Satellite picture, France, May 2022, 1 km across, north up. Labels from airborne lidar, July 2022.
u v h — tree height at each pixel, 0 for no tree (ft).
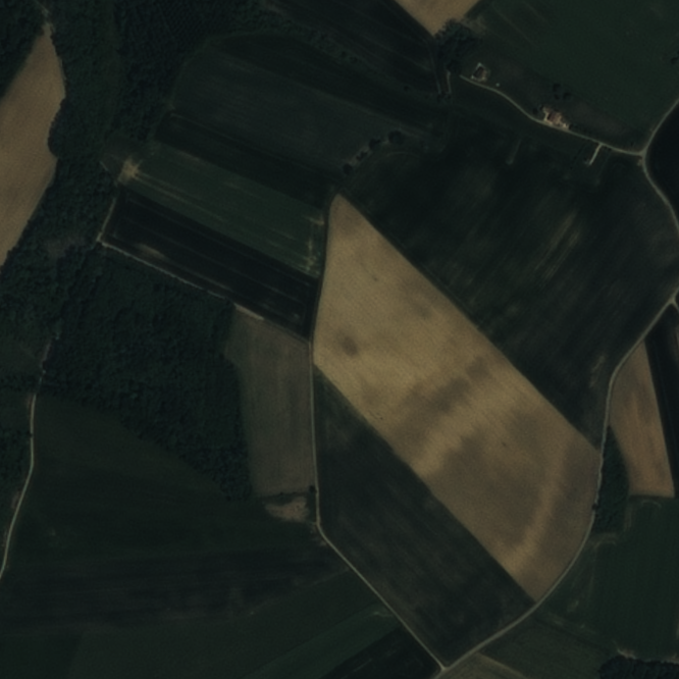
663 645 0
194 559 0
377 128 0
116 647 0
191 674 0
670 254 0
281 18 58
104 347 39
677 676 79
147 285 74
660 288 0
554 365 0
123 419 55
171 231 0
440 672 0
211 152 0
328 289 0
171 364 82
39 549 0
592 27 0
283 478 0
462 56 78
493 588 0
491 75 0
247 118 0
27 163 0
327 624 0
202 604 0
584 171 0
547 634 0
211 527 0
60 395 70
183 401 93
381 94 0
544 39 0
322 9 0
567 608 0
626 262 0
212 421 44
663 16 0
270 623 0
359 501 0
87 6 75
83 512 0
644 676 66
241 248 0
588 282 0
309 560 0
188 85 0
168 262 0
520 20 0
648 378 0
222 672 0
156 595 0
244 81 0
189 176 0
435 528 0
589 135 23
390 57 0
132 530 0
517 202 0
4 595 0
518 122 0
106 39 20
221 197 0
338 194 0
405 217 0
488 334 0
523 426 0
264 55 0
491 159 0
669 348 0
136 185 0
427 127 0
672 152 0
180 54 74
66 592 0
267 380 0
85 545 0
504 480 0
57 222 52
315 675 0
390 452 0
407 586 0
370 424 0
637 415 0
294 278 0
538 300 0
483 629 0
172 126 0
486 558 0
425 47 0
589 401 0
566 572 0
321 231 0
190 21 98
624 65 0
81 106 85
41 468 0
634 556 0
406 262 0
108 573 0
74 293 64
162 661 0
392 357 0
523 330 0
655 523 0
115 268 63
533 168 0
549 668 0
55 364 79
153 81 117
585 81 0
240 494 91
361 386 0
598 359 0
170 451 71
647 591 0
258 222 0
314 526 0
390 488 0
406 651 0
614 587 0
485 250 0
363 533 0
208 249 0
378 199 0
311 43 27
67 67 63
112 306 68
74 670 0
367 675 0
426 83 0
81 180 84
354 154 0
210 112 0
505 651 0
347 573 0
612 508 46
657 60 0
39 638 0
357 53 0
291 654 0
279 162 0
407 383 0
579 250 0
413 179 0
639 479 0
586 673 0
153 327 72
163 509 0
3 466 59
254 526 0
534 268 0
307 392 0
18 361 0
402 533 0
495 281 0
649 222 0
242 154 0
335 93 0
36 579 0
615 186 0
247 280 0
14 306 86
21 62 71
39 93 0
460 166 0
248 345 0
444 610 0
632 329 0
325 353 0
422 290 0
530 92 0
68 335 78
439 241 0
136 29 116
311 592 0
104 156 0
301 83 0
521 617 0
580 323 0
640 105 0
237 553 0
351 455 0
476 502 0
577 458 0
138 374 107
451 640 0
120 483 0
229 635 0
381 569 0
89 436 0
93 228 23
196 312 83
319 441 0
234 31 53
